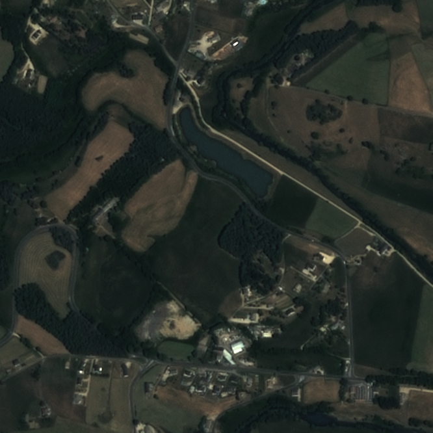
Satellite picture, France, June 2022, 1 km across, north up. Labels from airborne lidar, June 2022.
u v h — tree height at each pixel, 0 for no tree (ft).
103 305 0
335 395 0
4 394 0
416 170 0
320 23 0
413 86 0
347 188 0
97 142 0
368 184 0
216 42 0
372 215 48
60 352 0
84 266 43
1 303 0
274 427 0
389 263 0
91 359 0
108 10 0
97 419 0
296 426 0
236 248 57
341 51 0
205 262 0
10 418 0
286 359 0
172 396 0
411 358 0
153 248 29
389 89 0
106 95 0
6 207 36
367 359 0
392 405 114
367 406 0
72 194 0
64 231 51
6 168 56
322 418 0
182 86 42
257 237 58
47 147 0
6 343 0
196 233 0
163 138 71
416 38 0
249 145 0
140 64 0
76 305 0
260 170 0
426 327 0
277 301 0
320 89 0
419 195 0
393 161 0
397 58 0
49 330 71
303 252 0
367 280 0
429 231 0
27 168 0
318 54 53
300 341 0
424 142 0
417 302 0
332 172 0
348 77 0
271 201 25
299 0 40
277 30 0
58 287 0
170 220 0
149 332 0
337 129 0
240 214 73
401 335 0
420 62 0
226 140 0
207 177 0
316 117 36
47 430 0
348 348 0
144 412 0
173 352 0
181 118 0
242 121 42
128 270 0
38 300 43
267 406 31
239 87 26
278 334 35
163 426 0
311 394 0
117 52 46
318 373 29
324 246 0
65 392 0
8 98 72
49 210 0
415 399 0
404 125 0
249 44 0
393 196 0
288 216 0
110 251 0
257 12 21
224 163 0
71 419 0
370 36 0
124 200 57
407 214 0
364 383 0
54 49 0
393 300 0
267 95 0
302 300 73
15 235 0
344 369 32
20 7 0
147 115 0
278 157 0
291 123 0
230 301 0
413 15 0
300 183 0
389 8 0
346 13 0
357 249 0
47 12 46
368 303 0
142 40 0
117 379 0
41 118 72
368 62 0
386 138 0
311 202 0
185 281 0
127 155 43
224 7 0
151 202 0
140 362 0
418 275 0
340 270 0
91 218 21
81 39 44
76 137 38
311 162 34
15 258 0
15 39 66
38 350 41
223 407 0
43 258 0
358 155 0
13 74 83
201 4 0
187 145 29
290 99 0
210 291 0
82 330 86
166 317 0
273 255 79
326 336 18
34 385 0
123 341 26
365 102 36
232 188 0
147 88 0
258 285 31
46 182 0
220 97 44
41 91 0
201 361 46
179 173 0
